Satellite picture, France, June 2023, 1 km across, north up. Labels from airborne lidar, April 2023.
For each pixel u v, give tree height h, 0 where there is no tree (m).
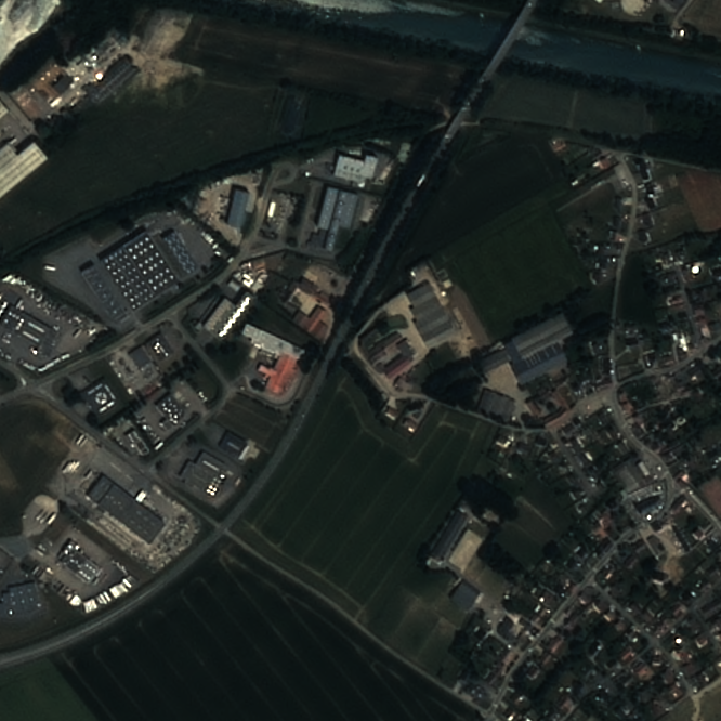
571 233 0
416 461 0
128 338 0
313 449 0
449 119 0
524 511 0
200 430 0
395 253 12
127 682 0
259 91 0
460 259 0
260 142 0
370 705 0
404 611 0
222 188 0
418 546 0
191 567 0
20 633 0
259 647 0
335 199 0
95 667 0
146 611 0
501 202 0
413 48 12
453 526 0
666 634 0
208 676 0
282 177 0
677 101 10
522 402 0
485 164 0
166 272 0
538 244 0
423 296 0
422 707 0
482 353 14
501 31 0
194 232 0
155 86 0
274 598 0
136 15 0
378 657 0
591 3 0
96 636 0
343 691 0
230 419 0
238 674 0
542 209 0
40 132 13
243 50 0
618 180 0
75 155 0
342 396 0
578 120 0
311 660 0
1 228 0
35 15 0
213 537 0
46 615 0
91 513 0
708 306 6
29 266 0
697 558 0
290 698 0
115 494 0
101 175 0
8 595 0
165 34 0
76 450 0
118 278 0
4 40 0
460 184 0
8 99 0
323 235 0
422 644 0
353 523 0
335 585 0
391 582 0
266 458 0
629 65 0
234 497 0
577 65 0
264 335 0
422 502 0
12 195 0
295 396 0
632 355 0
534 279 0
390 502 0
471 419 0
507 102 0
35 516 0
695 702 0
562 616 0
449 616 0
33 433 0
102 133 0
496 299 0
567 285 0
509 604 12
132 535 0
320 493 0
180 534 0
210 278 0
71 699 0
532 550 0
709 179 0
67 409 0
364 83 0
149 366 0
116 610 0
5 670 0
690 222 0
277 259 0
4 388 0
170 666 0
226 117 0
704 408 0
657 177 0
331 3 0
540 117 0
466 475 0
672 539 0
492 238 0
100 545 0
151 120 0
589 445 0
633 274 0
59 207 0
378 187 0
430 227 0
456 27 0
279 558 0
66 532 0
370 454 0
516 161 0
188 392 0
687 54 0
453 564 0
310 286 0
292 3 0
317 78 0
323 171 0
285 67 0
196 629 0
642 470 0
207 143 0
